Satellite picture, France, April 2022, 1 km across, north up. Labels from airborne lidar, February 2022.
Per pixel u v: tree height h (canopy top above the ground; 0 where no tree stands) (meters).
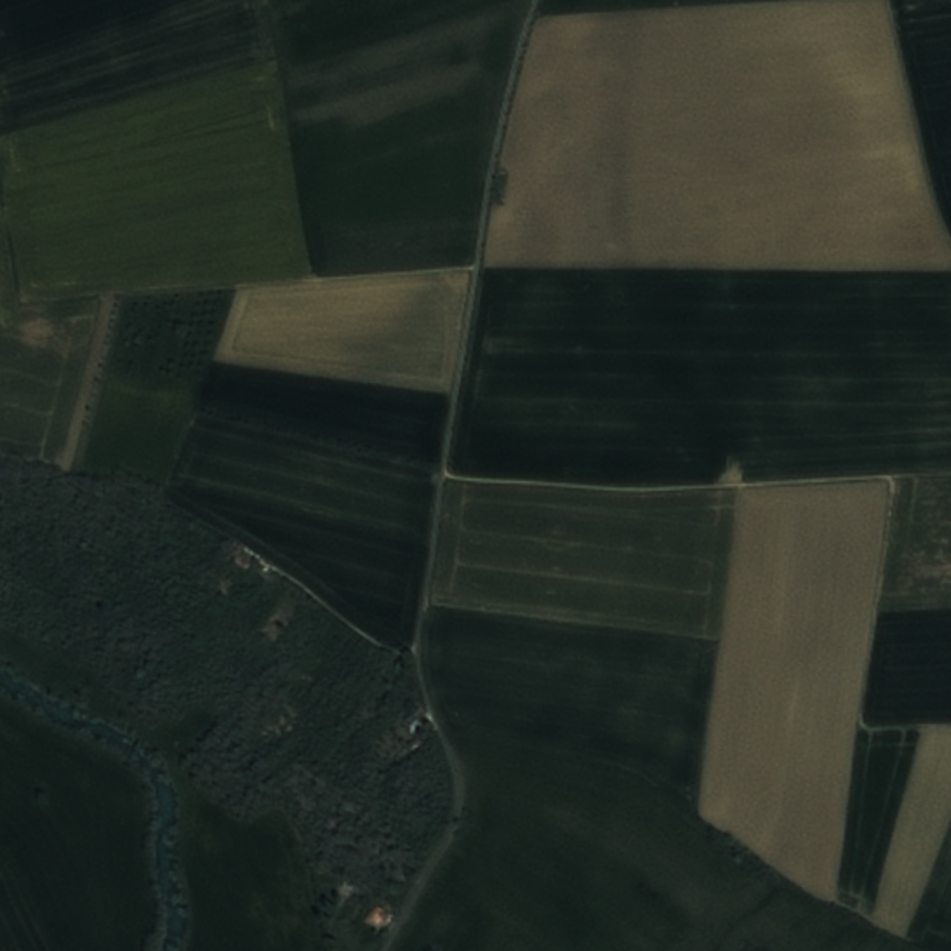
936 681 0
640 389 0
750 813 0
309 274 0
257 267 0
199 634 7
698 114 0
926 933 0
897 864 0
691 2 0
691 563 0
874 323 0
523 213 0
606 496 0
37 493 27
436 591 0
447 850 0
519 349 0
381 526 0
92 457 0
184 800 0
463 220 0
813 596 0
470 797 0
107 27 0
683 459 0
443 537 0
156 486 13
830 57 0
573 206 0
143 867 0
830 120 0
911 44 0
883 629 0
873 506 0
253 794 15
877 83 0
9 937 0
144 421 0
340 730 12
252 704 18
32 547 6
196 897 0
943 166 0
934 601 0
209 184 0
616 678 0
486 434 0
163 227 0
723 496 0
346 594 0
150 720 13
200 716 0
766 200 0
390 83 0
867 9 0
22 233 0
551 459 0
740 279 0
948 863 0
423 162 0
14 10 0
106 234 0
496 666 0
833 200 0
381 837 10
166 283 0
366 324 0
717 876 0
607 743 0
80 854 0
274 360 0
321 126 0
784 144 0
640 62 0
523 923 0
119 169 0
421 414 0
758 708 0
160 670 9
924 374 0
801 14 0
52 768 0
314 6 0
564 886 0
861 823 0
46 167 0
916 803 0
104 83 0
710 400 0
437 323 0
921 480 0
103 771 0
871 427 0
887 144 0
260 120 0
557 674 0
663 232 0
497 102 0
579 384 0
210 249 0
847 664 0
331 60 0
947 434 0
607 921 0
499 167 0
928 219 0
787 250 0
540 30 0
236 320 0
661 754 0
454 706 0
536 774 0
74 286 0
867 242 0
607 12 0
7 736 0
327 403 0
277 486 0
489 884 0
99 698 0
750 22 0
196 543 8
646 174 0
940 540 0
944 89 0
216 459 0
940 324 0
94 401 0
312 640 6
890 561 0
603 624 0
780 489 0
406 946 0
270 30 0
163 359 0
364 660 6
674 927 0
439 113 0
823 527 0
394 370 0
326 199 0
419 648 0
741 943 0
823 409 0
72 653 6
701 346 0
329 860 18
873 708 0
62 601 7
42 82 0
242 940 0
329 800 9
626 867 0
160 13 0
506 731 0
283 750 14
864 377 0
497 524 0
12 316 0
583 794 0
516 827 0
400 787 16
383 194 0
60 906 0
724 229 0
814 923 0
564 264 0
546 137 0
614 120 0
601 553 0
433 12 0
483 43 0
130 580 7
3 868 0
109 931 0
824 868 0
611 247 0
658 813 0
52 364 0
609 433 0
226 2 0
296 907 0
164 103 0
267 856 0
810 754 0
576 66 0
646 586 0
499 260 0
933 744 0
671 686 0
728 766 0
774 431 0
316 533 0
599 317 0
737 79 0
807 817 0
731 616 0
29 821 0
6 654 0
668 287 0
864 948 0
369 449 6
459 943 0
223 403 0
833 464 0
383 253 0
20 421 0
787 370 0
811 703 0
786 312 0
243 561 0
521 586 0
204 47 0
